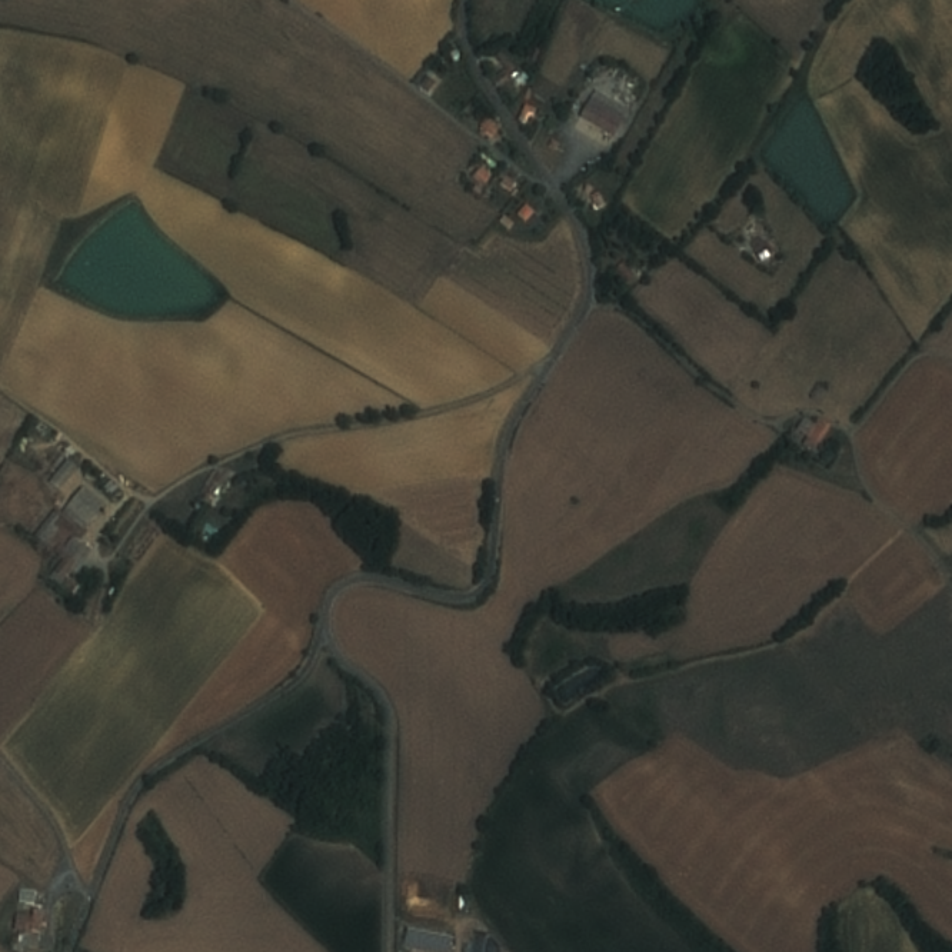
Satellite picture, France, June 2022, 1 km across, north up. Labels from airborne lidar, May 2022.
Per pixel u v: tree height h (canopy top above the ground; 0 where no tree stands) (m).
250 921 0
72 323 0
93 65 0
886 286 0
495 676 0
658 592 15
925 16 0
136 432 0
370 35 0
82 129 0
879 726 0
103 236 0
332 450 0
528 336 0
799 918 0
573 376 0
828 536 0
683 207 0
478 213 0
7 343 0
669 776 0
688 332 0
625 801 0
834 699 0
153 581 0
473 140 0
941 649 0
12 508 0
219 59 0
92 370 0
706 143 0
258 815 0
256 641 0
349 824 8
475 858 0
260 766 0
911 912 16
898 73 18
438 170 0
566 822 0
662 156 0
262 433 0
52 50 0
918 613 0
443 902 0
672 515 0
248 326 0
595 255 9
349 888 0
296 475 11
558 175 0
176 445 0
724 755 0
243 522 17
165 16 0
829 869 0
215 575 0
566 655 0
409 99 0
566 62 0
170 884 14
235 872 0
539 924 0
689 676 0
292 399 0
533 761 0
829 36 0
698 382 8
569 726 0
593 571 0
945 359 0
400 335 0
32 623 0
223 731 0
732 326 0
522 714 0
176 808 0
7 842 0
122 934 0
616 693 0
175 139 0
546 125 8
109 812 0
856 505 0
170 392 0
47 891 0
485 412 0
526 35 5
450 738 0
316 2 0
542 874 0
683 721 0
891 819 0
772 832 0
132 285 0
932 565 0
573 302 0
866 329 0
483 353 0
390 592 0
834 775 0
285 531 0
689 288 0
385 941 0
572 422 0
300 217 0
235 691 0
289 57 0
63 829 0
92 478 7
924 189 0
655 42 0
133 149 0
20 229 0
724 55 0
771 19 0
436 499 0
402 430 0
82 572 7
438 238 0
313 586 0
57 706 0
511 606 0
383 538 19
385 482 0
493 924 0
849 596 0
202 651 0
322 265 0
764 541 0
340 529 19
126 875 0
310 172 0
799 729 0
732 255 0
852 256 18
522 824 0
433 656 0
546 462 0
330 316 0
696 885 0
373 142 0
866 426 0
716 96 0
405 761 0
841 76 0
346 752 14
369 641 0
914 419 0
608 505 0
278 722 0
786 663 0
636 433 0
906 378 0
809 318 0
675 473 0
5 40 0
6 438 0
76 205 0
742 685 0
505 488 0
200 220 0
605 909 0
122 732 0
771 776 0
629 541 0
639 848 0
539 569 0
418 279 0
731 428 0
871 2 0
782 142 0
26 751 0
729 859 0
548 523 0
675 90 16
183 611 0
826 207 0
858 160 0
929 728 0
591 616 19
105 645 0
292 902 0
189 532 10
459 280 0
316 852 0
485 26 0
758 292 0
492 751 0
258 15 0
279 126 18
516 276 0
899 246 0
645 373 0
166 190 0
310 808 16
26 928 0
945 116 0
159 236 0
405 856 0
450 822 0
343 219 16
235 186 0
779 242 0
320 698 0
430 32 0
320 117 0
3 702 0
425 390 0
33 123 0
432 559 0
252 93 0
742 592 0
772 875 0
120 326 0
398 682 0
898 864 0
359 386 0
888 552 0
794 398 0
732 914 0
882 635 0
